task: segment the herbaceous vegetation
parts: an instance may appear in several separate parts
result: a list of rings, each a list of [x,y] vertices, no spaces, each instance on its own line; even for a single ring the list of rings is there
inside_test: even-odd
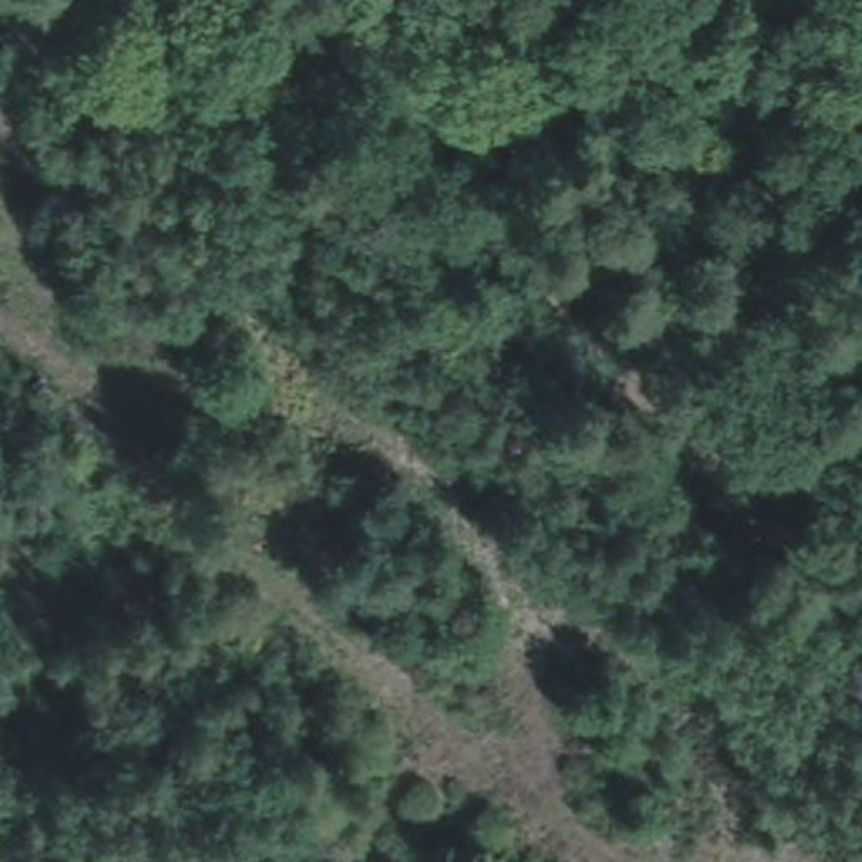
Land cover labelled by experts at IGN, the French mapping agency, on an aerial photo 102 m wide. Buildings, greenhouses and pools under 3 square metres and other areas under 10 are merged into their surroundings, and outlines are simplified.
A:
[[[758,845],[707,842],[704,835],[697,835],[694,855],[687,862],[822,862],[815,855],[805,855],[798,845],[778,845],[774,852],[764,852]]]
[[[232,475],[226,512],[219,515],[219,522],[226,525],[226,539],[209,542],[195,572],[249,576],[259,596],[276,609],[273,626],[293,626],[300,636],[310,636],[330,670],[357,677],[357,684],[374,694],[374,707],[384,714],[384,731],[397,737],[401,771],[421,774],[424,788],[431,791],[441,791],[444,774],[458,778],[468,791],[508,808],[515,822],[515,845],[535,845],[545,859],[559,862],[673,862],[673,842],[667,838],[647,849],[630,845],[626,835],[606,842],[596,832],[589,832],[566,805],[562,778],[556,771],[562,737],[549,721],[552,704],[532,680],[525,650],[532,636],[549,636],[569,616],[552,606],[535,609],[522,583],[502,576],[498,549],[482,532],[458,508],[444,505],[434,495],[431,465],[411,455],[407,441],[391,431],[387,411],[374,414],[357,401],[343,401],[330,384],[320,384],[313,374],[306,374],[300,360],[293,360],[279,343],[269,340],[259,347],[259,367],[266,377],[273,377],[273,397],[266,401],[266,407],[273,414],[283,414],[283,431],[266,448],[269,468]],[[492,599],[512,620],[512,650],[502,657],[498,670],[488,680],[465,684],[424,670],[418,663],[394,667],[384,653],[370,650],[367,636],[343,633],[333,623],[327,623],[300,576],[269,559],[269,512],[286,508],[296,498],[317,495],[320,478],[310,461],[310,438],[323,434],[333,434],[340,441],[357,444],[360,451],[377,451],[380,458],[387,458],[397,468],[397,482],[407,485],[407,495],[431,519],[441,522],[444,542],[458,545],[485,572]]]
[[[67,357],[67,343],[54,333],[54,293],[37,283],[34,269],[24,263],[20,232],[0,195],[0,340],[10,343],[20,357],[34,357],[47,374],[54,374],[61,387],[71,387],[77,397],[94,391],[98,367],[81,364],[81,357]]]

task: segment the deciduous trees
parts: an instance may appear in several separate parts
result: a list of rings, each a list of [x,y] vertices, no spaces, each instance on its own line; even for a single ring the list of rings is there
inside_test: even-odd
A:
[[[680,714],[694,697],[704,697],[707,667],[670,660],[660,653],[630,653],[620,673],[609,673],[609,653],[593,647],[583,633],[583,623],[596,616],[596,609],[589,603],[579,603],[576,596],[556,599],[552,593],[535,589],[529,579],[522,583],[535,609],[552,606],[569,616],[549,636],[532,636],[525,650],[532,680],[552,704],[549,721],[562,737],[556,771],[562,778],[566,805],[589,832],[596,832],[606,842],[626,835],[630,845],[647,849],[667,838],[673,835],[673,822],[667,811],[653,808],[640,822],[640,801],[663,785],[663,768],[647,761],[647,737],[657,731],[660,717]]]
[[[707,209],[714,216],[724,209],[734,222],[748,219],[771,226],[771,236],[741,259],[741,303],[731,330],[704,333],[694,327],[670,323],[650,343],[626,350],[620,347],[620,337],[630,327],[623,313],[593,343],[586,340],[586,333],[572,333],[569,343],[549,337],[552,303],[545,300],[562,286],[566,276],[549,276],[542,263],[519,256],[508,236],[502,232],[498,216],[482,205],[482,195],[488,189],[502,189],[515,202],[522,148],[515,135],[532,135],[569,108],[586,111],[586,148],[593,175],[609,175],[613,158],[620,155],[657,178],[657,195],[673,195],[680,189],[697,209]],[[593,485],[596,475],[579,471],[576,461],[566,451],[559,451],[566,428],[583,431],[583,424],[609,424],[609,431],[616,428],[626,434],[633,428],[643,428],[650,438],[660,441],[660,451],[647,458],[636,471],[609,475],[620,488],[620,495],[613,495],[609,502],[609,512],[616,512],[620,522],[626,529],[636,529],[640,535],[673,539],[673,556],[714,556],[710,569],[677,572],[667,593],[667,599],[673,603],[670,626],[680,650],[687,653],[687,636],[710,613],[717,613],[731,626],[751,616],[774,586],[774,572],[788,562],[788,552],[815,552],[825,545],[849,542],[855,545],[855,572],[845,579],[852,593],[828,596],[828,606],[842,636],[842,650],[852,660],[849,704],[862,707],[862,364],[849,374],[828,377],[822,387],[808,384],[805,370],[811,370],[822,360],[825,347],[832,343],[811,317],[815,300],[825,286],[835,286],[849,276],[852,256],[862,256],[862,0],[0,0],[0,195],[20,232],[24,263],[34,269],[37,283],[54,293],[54,333],[67,343],[67,357],[81,357],[81,364],[98,367],[94,391],[77,397],[71,387],[61,387],[54,374],[47,374],[34,357],[20,357],[10,343],[0,340],[0,741],[17,737],[30,751],[57,744],[64,754],[91,761],[98,761],[98,754],[108,751],[104,758],[121,771],[108,788],[108,811],[135,805],[141,795],[158,788],[162,774],[168,774],[175,788],[175,805],[182,808],[185,822],[162,825],[158,818],[148,818],[148,849],[162,849],[165,855],[189,852],[222,859],[236,849],[239,835],[259,835],[256,855],[283,862],[559,862],[545,859],[535,845],[515,845],[515,822],[508,808],[468,791],[458,778],[444,774],[441,791],[431,791],[424,788],[421,774],[401,771],[397,737],[384,731],[384,714],[374,707],[374,694],[357,684],[357,677],[330,670],[310,636],[300,636],[293,626],[273,626],[276,609],[259,596],[249,576],[195,572],[209,542],[226,539],[226,525],[219,522],[219,515],[226,512],[232,475],[269,468],[266,448],[283,431],[283,414],[273,414],[266,407],[266,401],[273,397],[273,377],[266,377],[259,367],[259,347],[269,340],[279,343],[293,360],[300,360],[306,374],[313,374],[320,384],[330,384],[343,401],[357,401],[374,414],[387,411],[391,431],[407,441],[411,455],[431,465],[434,495],[444,505],[458,508],[482,532],[502,512],[502,505],[508,505],[512,495],[542,495],[549,488],[552,471],[562,485]]]
[[[407,485],[397,482],[397,468],[387,458],[380,458],[377,451],[360,451],[357,444],[340,441],[333,434],[323,434],[310,438],[310,461],[320,478],[317,495],[296,498],[286,508],[269,512],[269,559],[300,576],[327,623],[333,623],[343,633],[367,636],[370,650],[384,653],[394,667],[418,663],[424,670],[465,684],[488,680],[498,670],[502,657],[512,650],[512,620],[492,599],[485,572],[458,545],[444,542],[441,522],[431,519],[407,495]]]

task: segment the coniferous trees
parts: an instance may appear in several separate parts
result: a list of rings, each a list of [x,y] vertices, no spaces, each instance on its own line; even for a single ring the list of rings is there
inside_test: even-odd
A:
[[[488,189],[482,195],[482,205],[498,216],[502,232],[508,236],[519,256],[542,263],[549,276],[566,276],[562,286],[545,300],[552,303],[549,337],[569,343],[572,333],[586,333],[586,340],[593,343],[623,313],[630,327],[620,337],[620,347],[626,350],[650,343],[670,323],[694,327],[704,333],[731,330],[741,303],[741,259],[771,236],[771,226],[748,219],[734,222],[724,209],[714,216],[707,209],[697,209],[680,189],[673,195],[657,195],[657,178],[620,155],[613,158],[609,175],[593,175],[586,148],[586,111],[569,108],[532,135],[515,135],[522,148],[515,202],[502,189]]]
[[[849,704],[852,660],[842,650],[842,636],[828,606],[828,596],[852,593],[845,579],[855,572],[855,545],[849,542],[825,545],[815,552],[788,552],[788,562],[774,572],[774,586],[751,616],[731,626],[717,613],[710,613],[687,636],[687,653],[680,650],[670,626],[673,603],[667,599],[667,593],[677,572],[710,569],[714,556],[673,556],[673,539],[640,535],[636,529],[626,529],[620,522],[616,512],[609,512],[609,502],[613,495],[620,495],[620,488],[609,475],[636,471],[647,458],[660,451],[660,441],[650,438],[643,428],[633,428],[626,434],[616,428],[609,431],[609,424],[583,424],[583,431],[566,428],[559,451],[566,451],[576,461],[579,471],[596,475],[593,485],[562,485],[552,471],[549,488],[542,495],[512,495],[508,505],[502,505],[502,512],[482,532],[498,549],[502,576],[522,583],[529,579],[535,589],[552,593],[556,599],[576,596],[579,603],[589,603],[596,609],[596,616],[583,623],[583,633],[593,647],[609,653],[609,673],[620,673],[630,653],[660,653],[670,660],[707,667],[704,697],[694,697],[680,714],[660,717],[657,731],[647,737],[647,761],[663,768],[663,785],[640,801],[640,822],[653,808],[667,811],[673,822],[673,835],[667,838],[673,842],[673,862],[687,862],[694,855],[697,835],[704,835],[707,842],[758,845],[764,852],[774,852],[778,845],[798,845],[805,855],[815,855],[822,862],[862,862],[862,707]]]
[[[862,364],[862,256],[852,256],[849,276],[835,286],[825,286],[815,300],[811,317],[832,343],[825,347],[822,360],[811,370],[805,370],[808,384],[822,387],[828,377],[849,374]]]
[[[91,761],[64,754],[57,744],[30,751],[17,737],[0,741],[0,862],[283,862],[256,855],[259,835],[239,835],[236,849],[222,859],[189,852],[165,855],[162,849],[148,849],[148,818],[158,818],[162,825],[185,822],[182,808],[175,805],[175,788],[168,774],[162,774],[158,788],[141,795],[135,805],[108,811],[108,788],[121,771],[104,758],[108,751],[98,754],[98,761]]]

